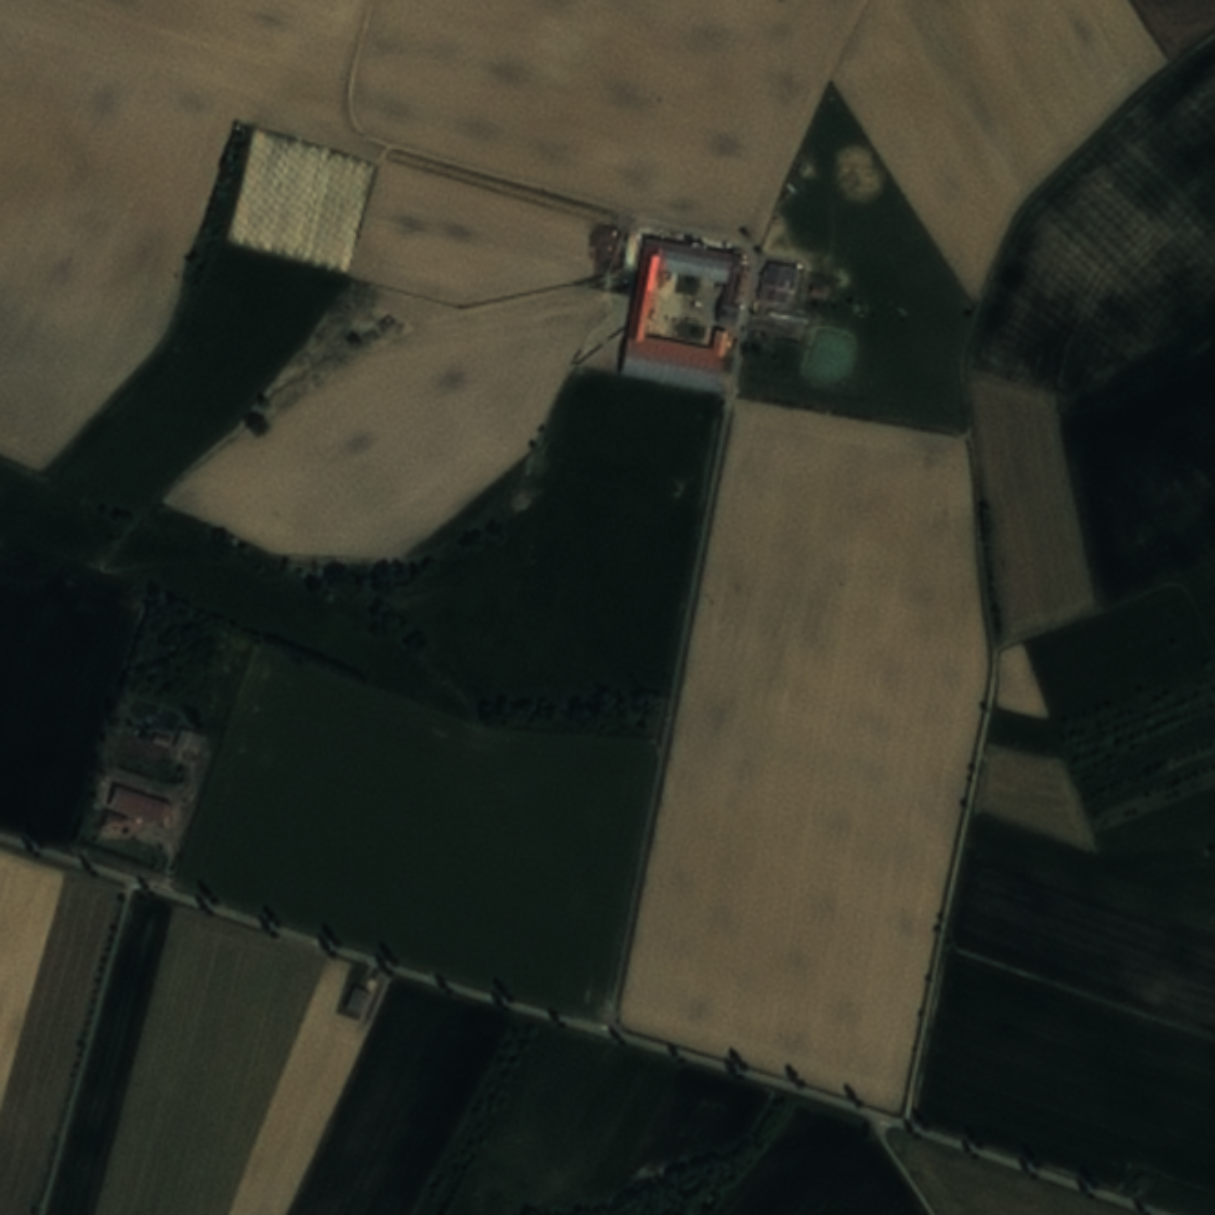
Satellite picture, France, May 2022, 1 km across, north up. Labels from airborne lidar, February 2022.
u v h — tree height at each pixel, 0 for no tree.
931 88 0
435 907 0
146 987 0
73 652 0
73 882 0
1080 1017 0
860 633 0
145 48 0
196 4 0
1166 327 0
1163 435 0
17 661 0
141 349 0
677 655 0
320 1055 0
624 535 0
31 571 0
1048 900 0
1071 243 0
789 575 0
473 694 0
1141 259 0
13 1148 0
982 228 0
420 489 0
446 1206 6
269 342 0
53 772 0
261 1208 0
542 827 0
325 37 0
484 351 0
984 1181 0
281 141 0
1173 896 0
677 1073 0
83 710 0
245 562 0
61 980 0
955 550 0
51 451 0
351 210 0
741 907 0
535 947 0
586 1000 0
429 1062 0
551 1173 0
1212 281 0
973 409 0
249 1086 0
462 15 0
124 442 0
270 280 0
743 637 0
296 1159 0
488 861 0
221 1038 0
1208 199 0
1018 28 0
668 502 0
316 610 0
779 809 0
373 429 0
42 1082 0
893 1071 0
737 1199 0
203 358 0
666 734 0
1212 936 0
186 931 0
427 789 0
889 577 0
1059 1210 0
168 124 0
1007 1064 0
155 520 0
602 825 0
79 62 0
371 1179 0
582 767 0
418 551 0
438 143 0
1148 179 0
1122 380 0
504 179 0
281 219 0
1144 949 0
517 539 0
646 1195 19
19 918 0
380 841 0
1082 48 0
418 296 0
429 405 0
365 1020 0
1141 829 0
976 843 0
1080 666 0
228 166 8
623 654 0
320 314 0
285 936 0
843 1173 0
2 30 0
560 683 0
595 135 0
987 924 0
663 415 0
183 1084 0
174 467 0
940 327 0
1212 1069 0
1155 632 0
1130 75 0
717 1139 0
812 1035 0
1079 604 0
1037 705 0
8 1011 0
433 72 0
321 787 0
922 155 0
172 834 0
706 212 0
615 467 0
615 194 0
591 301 0
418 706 0
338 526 0
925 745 0
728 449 0
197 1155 0
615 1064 0
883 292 0
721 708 0
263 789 0
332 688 0
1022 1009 0
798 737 0
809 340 0
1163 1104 0
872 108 0
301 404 0
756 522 0
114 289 0
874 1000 0
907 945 0
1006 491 0
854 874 0
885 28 0
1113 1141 0
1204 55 0
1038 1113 0
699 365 0
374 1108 0
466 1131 0
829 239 0
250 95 0
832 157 0
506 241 0
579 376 0
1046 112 0
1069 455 0
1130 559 0
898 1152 0
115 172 0
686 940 0
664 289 0
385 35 0
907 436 0
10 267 0
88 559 0
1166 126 0
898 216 0
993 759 0
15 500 0
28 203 0
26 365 0
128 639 0
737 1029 0
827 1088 0
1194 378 0
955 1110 0
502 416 0
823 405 0
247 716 0
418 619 0
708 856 0
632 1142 0
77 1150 0
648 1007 0
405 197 0
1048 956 0
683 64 0
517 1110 0
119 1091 0
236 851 0
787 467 0
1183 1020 0
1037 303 0
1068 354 0
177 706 0
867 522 0
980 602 0
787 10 0
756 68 0
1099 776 0
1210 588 0
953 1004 0
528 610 0
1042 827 0
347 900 0
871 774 0
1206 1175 0
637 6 0
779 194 0
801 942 0
